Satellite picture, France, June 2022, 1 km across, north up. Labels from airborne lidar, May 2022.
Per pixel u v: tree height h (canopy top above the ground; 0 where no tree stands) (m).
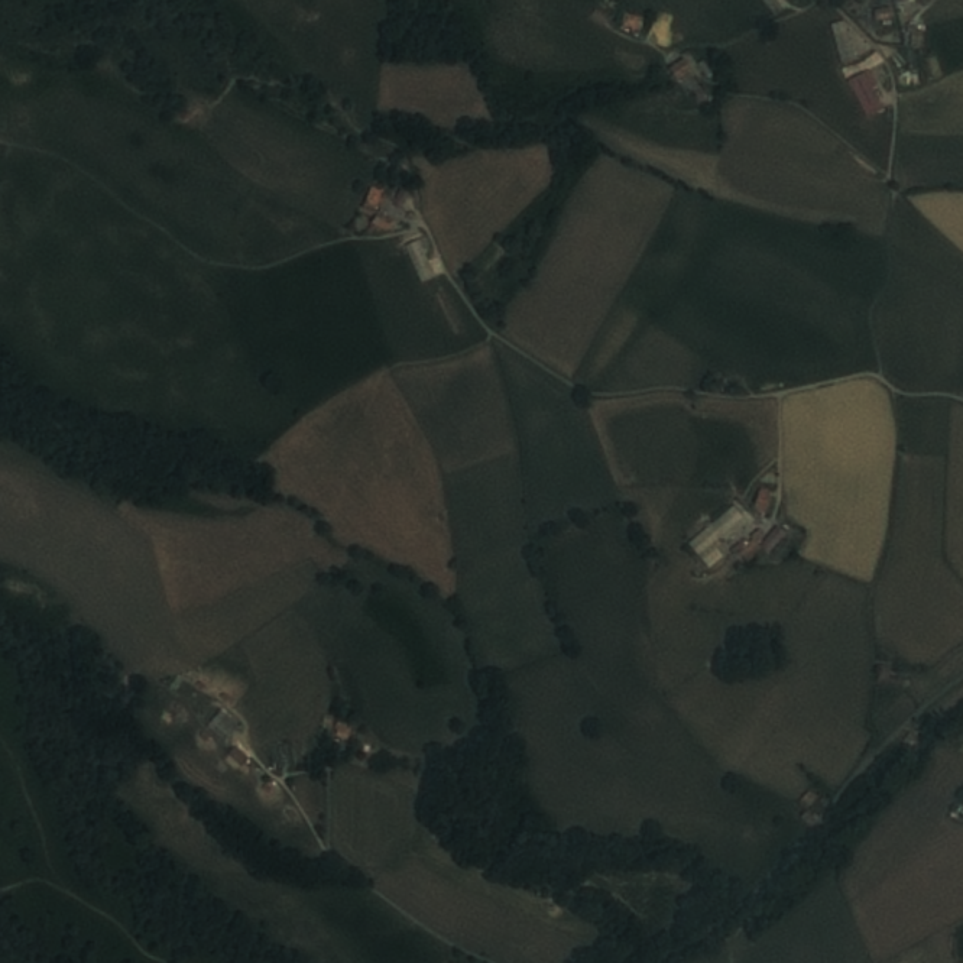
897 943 0
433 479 0
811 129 0
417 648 0
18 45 0
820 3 7
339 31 0
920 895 0
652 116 0
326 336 0
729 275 0
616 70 0
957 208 0
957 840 0
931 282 0
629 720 0
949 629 0
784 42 0
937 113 0
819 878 7
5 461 0
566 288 0
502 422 0
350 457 0
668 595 0
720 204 0
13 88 0
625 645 0
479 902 0
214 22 14
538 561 15
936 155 0
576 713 0
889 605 0
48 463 13
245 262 0
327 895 0
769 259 0
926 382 0
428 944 0
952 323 0
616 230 0
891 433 0
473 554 0
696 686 0
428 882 0
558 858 22
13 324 0
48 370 0
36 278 0
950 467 0
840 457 0
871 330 0
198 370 0
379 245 0
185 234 0
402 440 0
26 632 7
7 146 0
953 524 0
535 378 0
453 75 0
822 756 0
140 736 15
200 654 0
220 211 0
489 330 0
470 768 25
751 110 0
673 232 0
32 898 0
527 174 0
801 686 0
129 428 24
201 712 0
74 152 0
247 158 0
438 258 0
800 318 0
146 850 14
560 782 0
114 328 0
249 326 0
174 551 0
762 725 0
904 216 0
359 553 17
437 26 19
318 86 21
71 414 20
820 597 0
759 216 0
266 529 0
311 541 0
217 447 10
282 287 0
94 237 0
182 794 21
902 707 0
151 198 0
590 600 0
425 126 21
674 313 0
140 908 10
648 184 0
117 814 21
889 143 0
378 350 0
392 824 0
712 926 18
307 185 0
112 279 0
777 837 0
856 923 0
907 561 0
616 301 0
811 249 0
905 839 0
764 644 25
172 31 16
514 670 0
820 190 0
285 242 0
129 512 0
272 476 12
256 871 18
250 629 0
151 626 0
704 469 0
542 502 0
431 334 0
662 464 0
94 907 0
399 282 0
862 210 0
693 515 0
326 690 0
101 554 0
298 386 0
